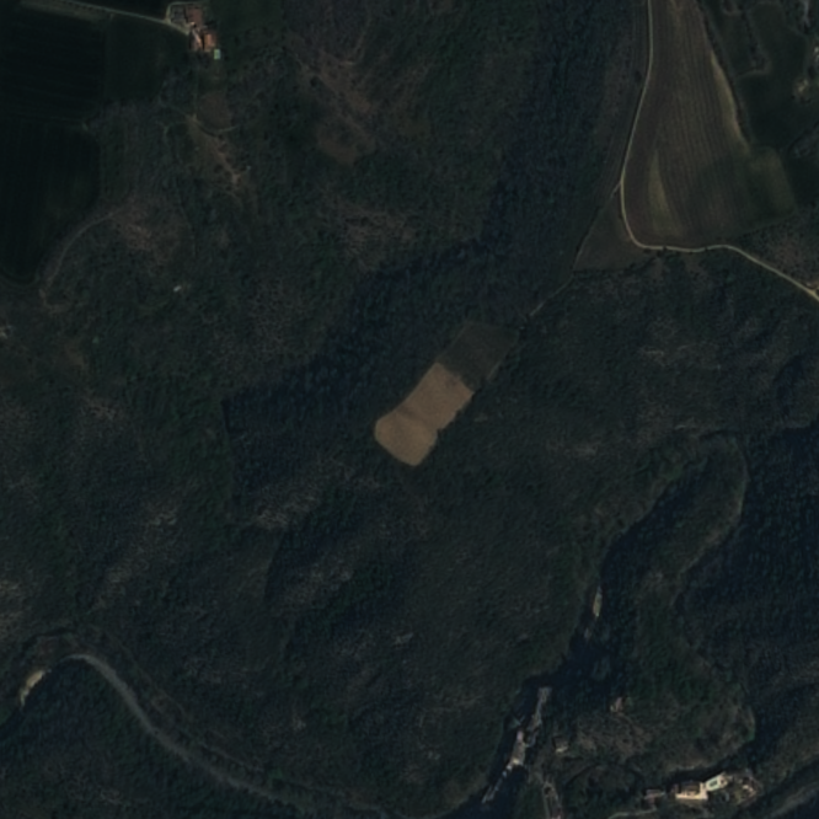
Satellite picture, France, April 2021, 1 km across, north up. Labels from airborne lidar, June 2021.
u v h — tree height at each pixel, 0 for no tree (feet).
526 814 31
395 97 29
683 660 76
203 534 24
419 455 0
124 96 0
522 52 59
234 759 80
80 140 0
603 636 108
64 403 26
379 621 18
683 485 60
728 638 20
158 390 36
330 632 21
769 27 0
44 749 32
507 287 53
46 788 20
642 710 30
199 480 18
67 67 0
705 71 0
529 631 22
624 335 25
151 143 20
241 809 31
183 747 60
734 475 44
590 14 49
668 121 0
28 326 0
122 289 30
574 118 48
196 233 26
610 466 23
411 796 36
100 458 32
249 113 45
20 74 0
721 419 27
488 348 0
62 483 40
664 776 93
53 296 0
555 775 36
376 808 40
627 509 68
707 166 0
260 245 0
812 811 44
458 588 24
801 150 35
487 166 56
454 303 31
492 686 24
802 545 28
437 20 20
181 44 0
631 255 0
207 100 0
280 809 46
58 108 0
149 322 30
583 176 21
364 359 32
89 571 37
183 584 18
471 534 21
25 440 23
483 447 18
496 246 66
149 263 30
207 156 0
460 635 21
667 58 0
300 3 26
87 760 35
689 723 34
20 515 23
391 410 27
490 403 22
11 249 0
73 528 44
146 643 44
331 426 34
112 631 53
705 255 20
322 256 39
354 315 82
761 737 34
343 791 47
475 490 34
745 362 19
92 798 28
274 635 24
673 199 0
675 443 23
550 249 41
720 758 117
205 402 40
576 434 25
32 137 0
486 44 34
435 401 0
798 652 19
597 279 20
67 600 26
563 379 24
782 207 0
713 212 0
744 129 26
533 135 48
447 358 0
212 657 22
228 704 29
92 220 44
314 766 52
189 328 44
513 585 19
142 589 21
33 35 0
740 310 28
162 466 20
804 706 20
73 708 58
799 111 0
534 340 21
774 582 34
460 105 45
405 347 41
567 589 52
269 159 35
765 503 49
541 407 18
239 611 19
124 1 0
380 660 25
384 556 30
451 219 54
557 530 44
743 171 0
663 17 0
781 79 0
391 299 53
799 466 26
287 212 43
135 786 26
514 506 27
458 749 26
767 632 28
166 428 38
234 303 39
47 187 0
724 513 64
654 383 21
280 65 28
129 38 0
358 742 53
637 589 19
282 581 31
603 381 24
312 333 48
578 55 29
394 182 24
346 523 28
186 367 35
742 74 0
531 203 53
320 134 0
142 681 27
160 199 22
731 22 0
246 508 26
